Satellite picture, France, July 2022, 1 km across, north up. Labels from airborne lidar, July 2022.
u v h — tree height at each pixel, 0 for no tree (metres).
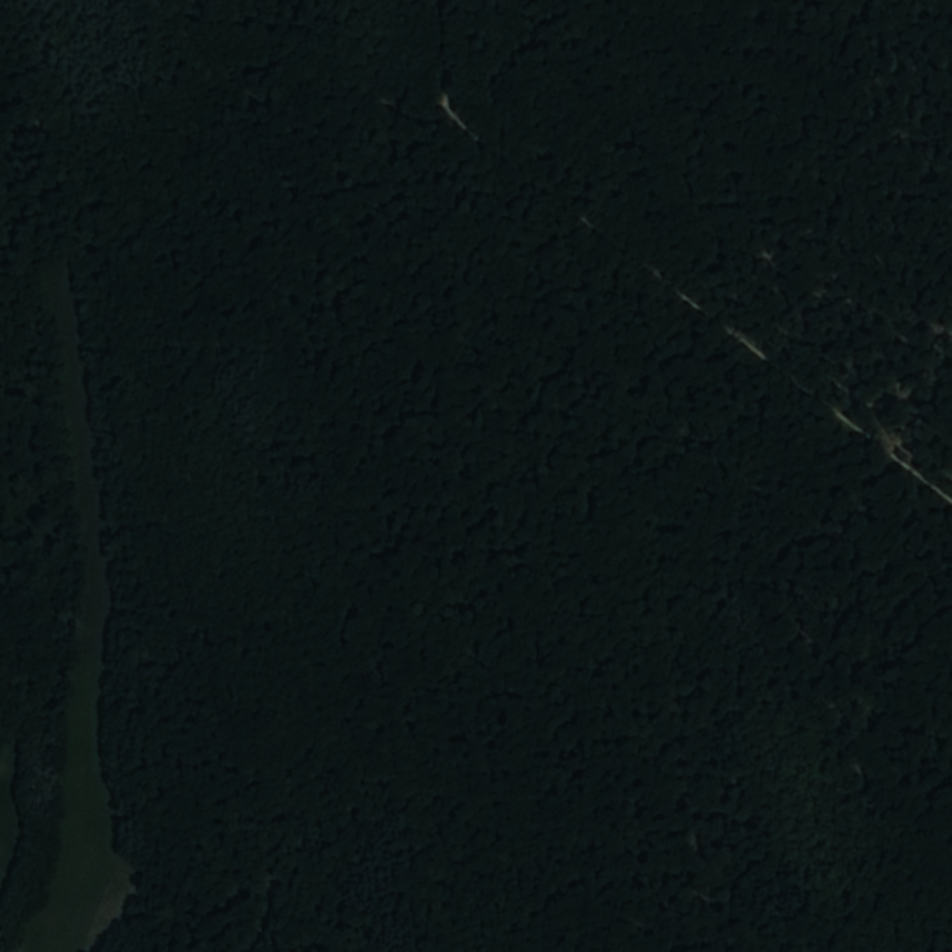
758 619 28
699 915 23
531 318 28
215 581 25
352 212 30
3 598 27
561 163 29
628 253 22
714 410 30
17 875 20
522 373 26
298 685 26
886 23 35
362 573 26
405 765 27
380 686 30
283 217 26
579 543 29
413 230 27
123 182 28
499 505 29
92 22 31
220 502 23
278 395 30
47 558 27
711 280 32
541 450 25
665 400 33
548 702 26
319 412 27
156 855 22
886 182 25
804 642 28
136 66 28
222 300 26
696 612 29
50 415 29
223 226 29
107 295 25
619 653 26
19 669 26
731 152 30
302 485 25
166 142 27
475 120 26
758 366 21
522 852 26
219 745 27
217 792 28
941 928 25
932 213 24
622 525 32
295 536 24
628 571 27
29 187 29
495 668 27
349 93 23
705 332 27
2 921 18
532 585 28
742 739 23
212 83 26
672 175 32
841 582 31
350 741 26
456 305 26
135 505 31
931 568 30
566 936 25
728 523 29
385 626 28
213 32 29
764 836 24
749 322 29
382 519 29
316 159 27
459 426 27
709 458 28
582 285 13
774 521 29
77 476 15
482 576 29
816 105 30
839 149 31
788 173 28
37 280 23
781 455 28
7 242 25
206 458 25
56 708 25
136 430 27
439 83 23
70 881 0
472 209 26
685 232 30
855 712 29
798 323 30
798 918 27
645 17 28
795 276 30
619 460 33
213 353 30
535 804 27
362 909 21
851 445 27
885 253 29
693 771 25
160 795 22
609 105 29
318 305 14
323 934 27
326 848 26
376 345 27
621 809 26
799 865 20
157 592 29
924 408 31
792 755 18
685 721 22
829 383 14
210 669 27
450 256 26
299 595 25
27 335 28
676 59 30
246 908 28
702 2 28
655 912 29
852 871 24
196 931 29
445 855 25
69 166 31
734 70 30
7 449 30
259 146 28
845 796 9
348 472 29
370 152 29
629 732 29
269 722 28
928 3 31
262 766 25
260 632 26
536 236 29
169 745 31
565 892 25
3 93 26
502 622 27
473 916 25
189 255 26
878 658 8
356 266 28
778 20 32
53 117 28
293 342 29
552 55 28
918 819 29
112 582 15
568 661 29
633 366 29
